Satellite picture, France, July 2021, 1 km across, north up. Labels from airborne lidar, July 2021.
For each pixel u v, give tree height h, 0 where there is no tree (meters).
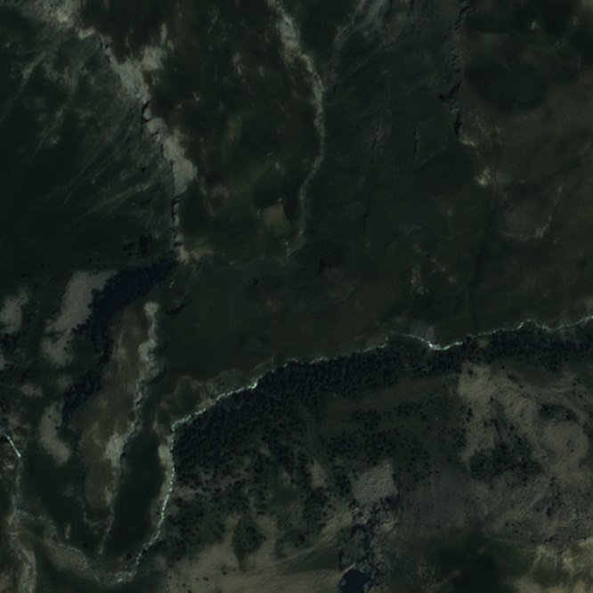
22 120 0
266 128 0
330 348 0
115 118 0
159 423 0
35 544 0
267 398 9
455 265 0
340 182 0
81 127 0
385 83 0
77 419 0
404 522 0
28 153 0
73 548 0
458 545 0
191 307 0
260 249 0
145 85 0
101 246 0
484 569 0
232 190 0
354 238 0
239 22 0
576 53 0
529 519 0
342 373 16
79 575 0
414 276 0
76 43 0
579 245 0
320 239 0
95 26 0
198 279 0
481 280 0
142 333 0
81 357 0
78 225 0
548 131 0
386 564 0
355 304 0
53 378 0
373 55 0
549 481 0
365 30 0
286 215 0
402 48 0
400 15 0
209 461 8
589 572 0
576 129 0
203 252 0
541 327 0
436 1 0
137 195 0
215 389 0
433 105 0
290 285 0
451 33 0
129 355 0
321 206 0
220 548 0
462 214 0
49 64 0
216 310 0
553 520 0
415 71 0
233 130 0
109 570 0
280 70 0
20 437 0
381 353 11
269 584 0
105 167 0
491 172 0
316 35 0
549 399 0
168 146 0
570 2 0
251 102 0
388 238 0
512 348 9
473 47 0
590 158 0
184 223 0
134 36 0
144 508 0
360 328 0
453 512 0
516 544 0
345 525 0
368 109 0
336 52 0
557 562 0
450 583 0
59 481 0
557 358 6
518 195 0
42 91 0
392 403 0
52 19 0
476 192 0
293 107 0
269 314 0
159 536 0
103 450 0
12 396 0
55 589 0
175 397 0
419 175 0
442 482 0
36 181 0
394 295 0
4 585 0
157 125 0
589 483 0
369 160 0
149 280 14
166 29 0
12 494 0
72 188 0
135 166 0
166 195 0
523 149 0
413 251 0
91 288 0
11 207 0
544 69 0
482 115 0
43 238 0
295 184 0
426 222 0
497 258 0
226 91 0
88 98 0
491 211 0
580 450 0
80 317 0
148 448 0
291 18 0
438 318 0
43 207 0
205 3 0
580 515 0
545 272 0
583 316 0
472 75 0
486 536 0
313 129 0
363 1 0
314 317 0
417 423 0
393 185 0
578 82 0
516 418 0
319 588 0
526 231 0
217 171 0
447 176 0
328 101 0
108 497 0
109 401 0
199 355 0
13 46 0
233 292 0
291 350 0
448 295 0
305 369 13
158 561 0
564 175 0
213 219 0
